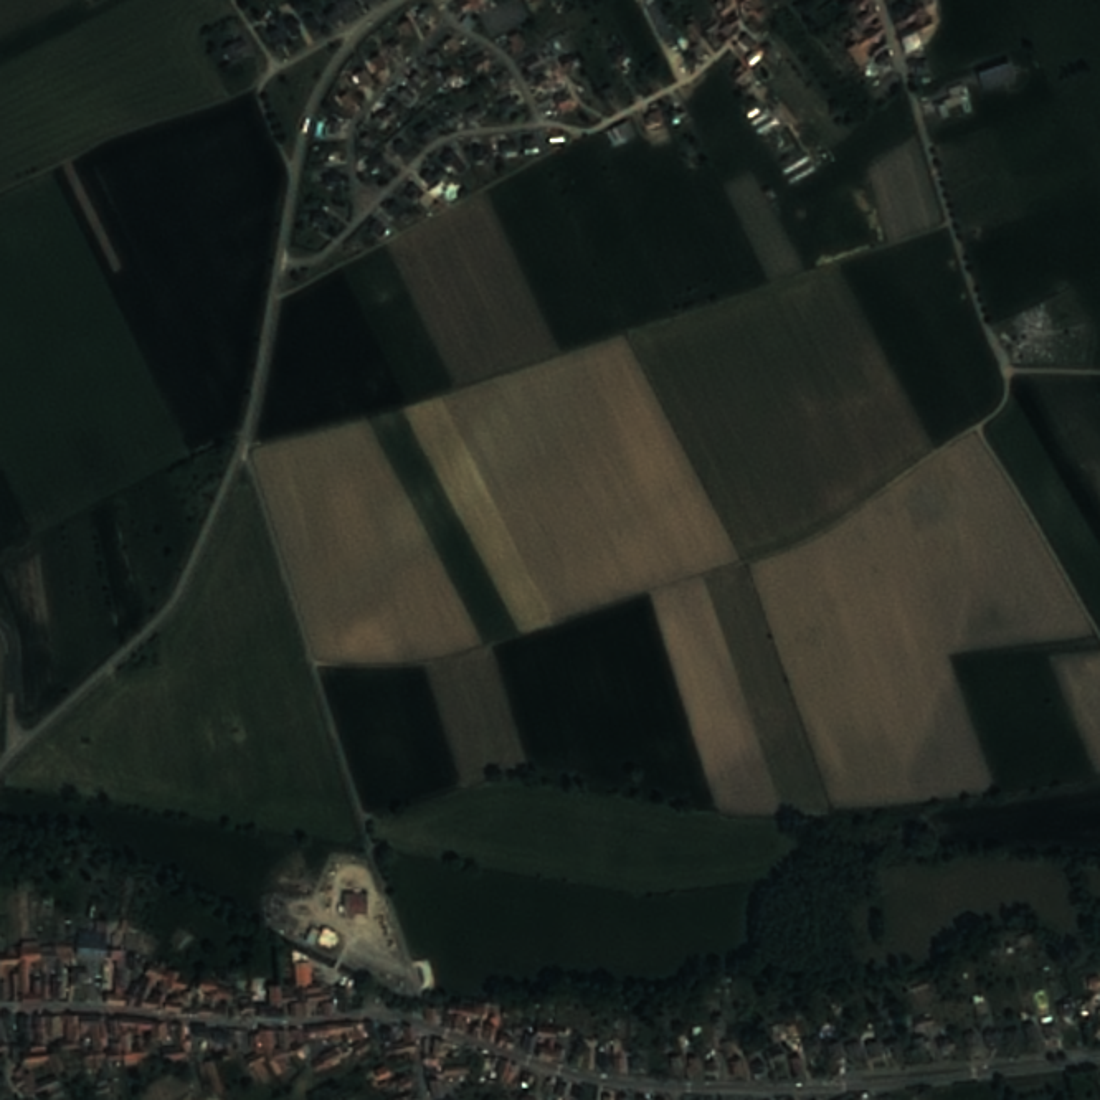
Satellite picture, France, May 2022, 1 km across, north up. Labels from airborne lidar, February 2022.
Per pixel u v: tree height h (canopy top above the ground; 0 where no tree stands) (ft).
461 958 0
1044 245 0
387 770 0
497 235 0
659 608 0
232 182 0
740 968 62
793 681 0
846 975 73
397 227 0
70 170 0
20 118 0
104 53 0
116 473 0
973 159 0
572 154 0
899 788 0
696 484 0
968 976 0
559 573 0
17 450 0
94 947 0
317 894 0
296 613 0
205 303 0
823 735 0
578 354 0
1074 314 0
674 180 0
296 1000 0
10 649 0
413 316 0
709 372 0
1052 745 0
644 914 0
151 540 0
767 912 74
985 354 0
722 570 0
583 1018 0
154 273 0
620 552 0
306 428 0
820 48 0
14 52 0
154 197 0
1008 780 0
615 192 0
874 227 0
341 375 0
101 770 0
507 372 0
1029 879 0
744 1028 24
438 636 0
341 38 0
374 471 0
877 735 0
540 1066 0
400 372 0
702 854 0
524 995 56
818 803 0
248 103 0
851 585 0
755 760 0
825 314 0
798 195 0
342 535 0
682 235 0
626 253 0
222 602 0
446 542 0
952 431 0
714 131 0
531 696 0
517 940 0
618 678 0
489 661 0
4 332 0
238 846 0
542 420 0
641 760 0
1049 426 0
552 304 0
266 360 0
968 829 0
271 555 0
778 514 0
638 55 0
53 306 0
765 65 0
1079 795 0
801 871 64
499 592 0
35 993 0
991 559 0
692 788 0
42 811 0
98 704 0
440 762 0
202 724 0
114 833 0
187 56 0
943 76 0
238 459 0
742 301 0
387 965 0
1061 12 0
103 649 0
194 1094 0
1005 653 0
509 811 0
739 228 0
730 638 0
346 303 0
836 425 0
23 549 0
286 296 0
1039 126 0
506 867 0
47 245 0
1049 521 0
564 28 0
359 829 0
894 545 0
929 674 0
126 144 0
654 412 0
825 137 0
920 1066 0
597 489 0
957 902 0
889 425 0
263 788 0
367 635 0
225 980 24
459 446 0
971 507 0
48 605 0
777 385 0
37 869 51
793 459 0
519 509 0
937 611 0
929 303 0
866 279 0
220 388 0
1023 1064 0
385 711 0
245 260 0
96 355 0
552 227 0
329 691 0
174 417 0
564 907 0
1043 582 0
